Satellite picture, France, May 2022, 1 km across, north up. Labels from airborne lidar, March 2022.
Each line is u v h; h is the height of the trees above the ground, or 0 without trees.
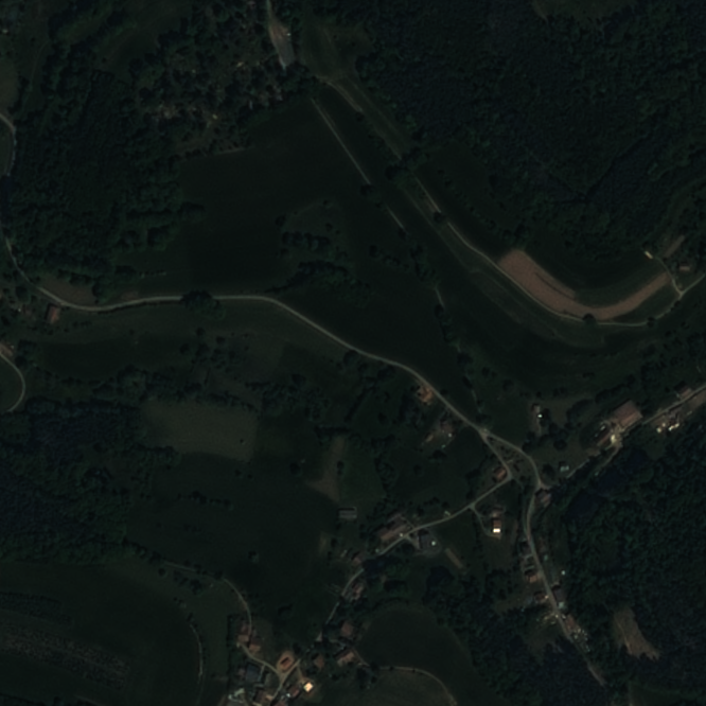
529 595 0
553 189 26
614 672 6
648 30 19
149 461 14
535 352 0
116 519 25
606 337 0
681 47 22
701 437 25
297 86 9
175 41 19
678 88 27
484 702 0
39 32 0
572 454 0
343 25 16
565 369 0
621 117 13
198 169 0
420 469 11
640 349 0
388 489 13
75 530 22
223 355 10
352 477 0
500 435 0
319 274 22
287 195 0
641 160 18
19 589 0
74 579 0
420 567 0
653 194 17
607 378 0
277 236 0
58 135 14
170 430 0
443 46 9
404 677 0
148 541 0
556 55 22
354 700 0
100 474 7
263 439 0
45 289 0
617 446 0
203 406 14
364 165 0
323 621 0
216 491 0
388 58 14
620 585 17
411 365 0
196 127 18
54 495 20
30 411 13
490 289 0
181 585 6
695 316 0
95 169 11
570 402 0
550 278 0
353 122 0
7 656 0
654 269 0
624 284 0
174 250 0
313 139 0
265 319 0
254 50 0
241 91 18
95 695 0
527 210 17
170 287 0
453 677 0
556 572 0
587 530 26
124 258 0
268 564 0
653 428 0
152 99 21
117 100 14
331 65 0
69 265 22
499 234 9
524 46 17
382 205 13
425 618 0
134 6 0
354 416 10
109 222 17
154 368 0
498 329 0
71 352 0
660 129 16
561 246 0
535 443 13
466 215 0
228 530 0
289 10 17
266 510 0
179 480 0
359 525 0
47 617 7
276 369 0
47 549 22
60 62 16
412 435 0
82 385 9
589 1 0
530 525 0
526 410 0
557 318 0
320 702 0
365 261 0
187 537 0
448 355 0
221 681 0
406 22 24
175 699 0
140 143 22
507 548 0
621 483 31
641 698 0
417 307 0
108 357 0
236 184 0
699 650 28
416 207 0
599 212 26
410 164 18
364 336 0
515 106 13
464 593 17
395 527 0
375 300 0
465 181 0
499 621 19
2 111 0
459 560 0
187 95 8
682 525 17
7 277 12
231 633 7
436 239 0
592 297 0
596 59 16
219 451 0
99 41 18
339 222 0
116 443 19
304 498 0
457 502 0
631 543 23
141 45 0
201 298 22
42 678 0
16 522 24
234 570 0
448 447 0
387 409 0
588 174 11
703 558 28
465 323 0
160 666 0
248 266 0
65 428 28
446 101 14
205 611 0
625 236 7
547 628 0
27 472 24
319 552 0
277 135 0
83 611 0
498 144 22
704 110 30
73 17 20
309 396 17
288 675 0
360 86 0
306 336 0
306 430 0
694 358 13
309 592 0
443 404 0
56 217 30
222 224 0
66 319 0
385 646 0
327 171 0
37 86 0
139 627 0
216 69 13
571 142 15
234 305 0
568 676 35
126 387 17
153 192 22
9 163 0
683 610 29
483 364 0
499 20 26
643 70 20
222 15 21
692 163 17
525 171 20
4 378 0
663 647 32
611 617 24
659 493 24
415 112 24
